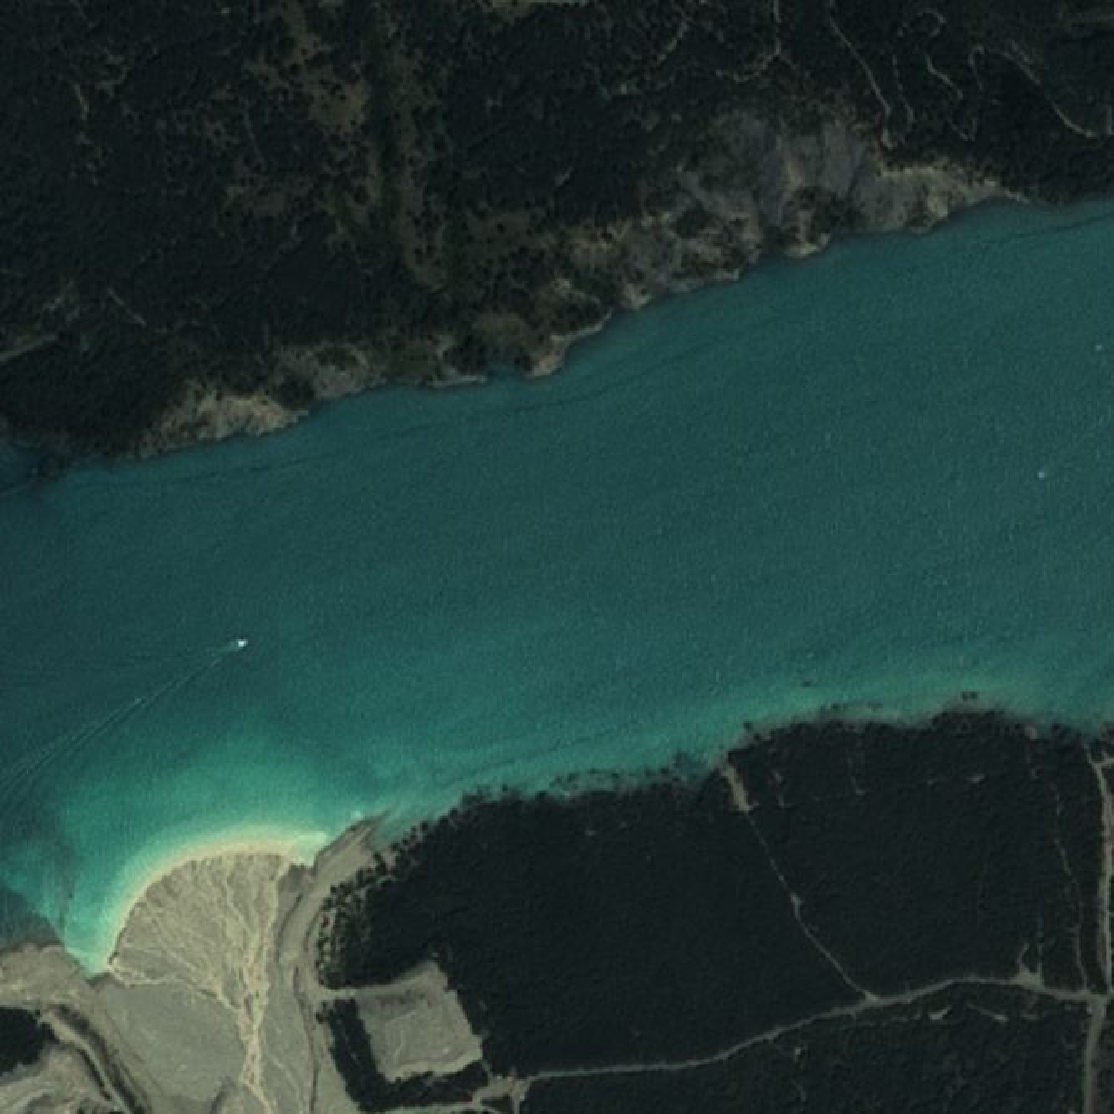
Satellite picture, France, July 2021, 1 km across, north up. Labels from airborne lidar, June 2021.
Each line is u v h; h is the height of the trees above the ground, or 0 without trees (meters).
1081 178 11
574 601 0
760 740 8
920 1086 6
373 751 0
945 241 0
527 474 0
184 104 12
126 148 13
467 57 9
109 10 16
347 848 0
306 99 9
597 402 0
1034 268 0
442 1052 0
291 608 0
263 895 0
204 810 0
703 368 0
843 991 7
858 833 5
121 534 0
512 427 0
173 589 0
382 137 9
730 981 6
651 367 0
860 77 9
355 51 9
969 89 12
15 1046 6
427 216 10
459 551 0
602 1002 6
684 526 0
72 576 0
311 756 0
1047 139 14
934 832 6
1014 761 5
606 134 10
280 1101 0
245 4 15
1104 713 0
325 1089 0
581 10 12
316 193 7
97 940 0
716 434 0
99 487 0
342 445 0
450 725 0
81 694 0
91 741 0
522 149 14
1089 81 11
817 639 0
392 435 0
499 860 6
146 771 0
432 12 13
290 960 0
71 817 0
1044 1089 6
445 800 0
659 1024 7
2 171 9
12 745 0
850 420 0
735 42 13
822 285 0
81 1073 0
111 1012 0
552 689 0
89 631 0
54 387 10
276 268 12
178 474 0
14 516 0
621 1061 6
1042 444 0
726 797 7
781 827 6
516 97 13
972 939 6
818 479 0
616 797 9
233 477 0
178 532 0
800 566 0
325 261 12
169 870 0
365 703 0
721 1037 6
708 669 0
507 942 6
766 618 0
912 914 6
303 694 0
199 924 0
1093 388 0
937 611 0
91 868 0
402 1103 6
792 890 6
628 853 6
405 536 0
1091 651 0
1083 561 0
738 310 0
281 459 0
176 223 12
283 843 0
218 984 0
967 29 12
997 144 11
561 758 0
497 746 0
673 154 6
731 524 0
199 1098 0
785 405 0
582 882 6
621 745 0
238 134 11
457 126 15
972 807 6
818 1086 6
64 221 9
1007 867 6
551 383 0
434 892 6
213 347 15
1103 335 0
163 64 16
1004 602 0
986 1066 7
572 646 0
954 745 7
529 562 0
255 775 0
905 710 0
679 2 12
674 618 0
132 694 0
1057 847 6
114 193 14
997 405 0
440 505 0
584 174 14
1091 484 0
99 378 13
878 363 0
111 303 12
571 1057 8
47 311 8
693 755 0
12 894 0
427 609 0
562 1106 6
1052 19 14
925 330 0
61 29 15
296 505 0
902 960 6
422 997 0
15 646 0
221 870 0
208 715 0
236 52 11
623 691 0
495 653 0
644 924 6
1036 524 0
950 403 0
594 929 7
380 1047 0
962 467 0
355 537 0
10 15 17
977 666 0
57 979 0
